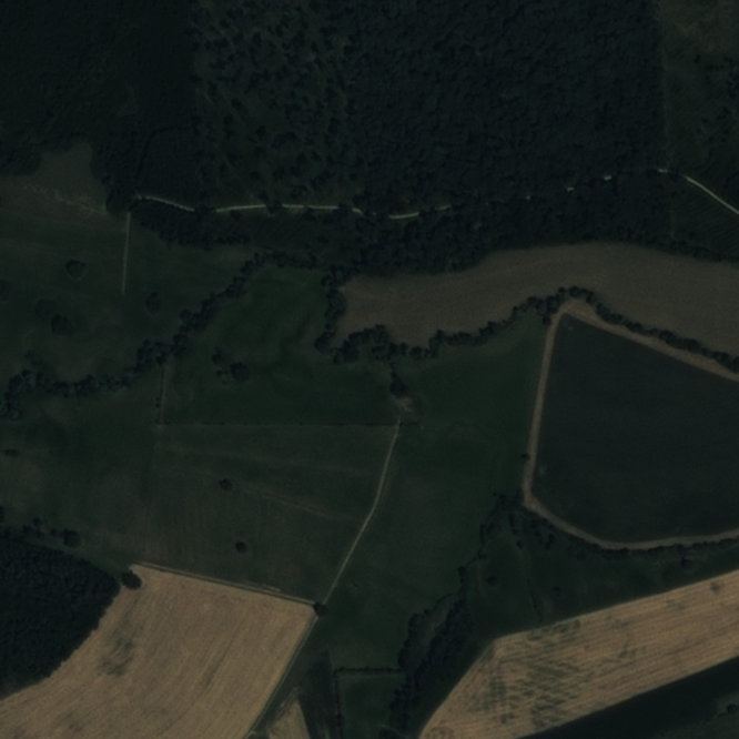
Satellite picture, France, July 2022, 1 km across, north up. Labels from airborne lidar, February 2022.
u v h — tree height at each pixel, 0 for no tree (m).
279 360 0
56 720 0
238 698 0
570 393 0
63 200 0
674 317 0
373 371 0
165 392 0
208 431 0
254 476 0
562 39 27
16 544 18
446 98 29
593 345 0
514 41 28
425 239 26
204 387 0
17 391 21
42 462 0
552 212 29
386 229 27
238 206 0
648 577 0
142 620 0
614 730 0
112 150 10
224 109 0
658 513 0
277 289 0
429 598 0
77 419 0
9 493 0
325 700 0
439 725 0
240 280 11
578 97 30
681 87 0
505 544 0
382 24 25
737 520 0
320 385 0
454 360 0
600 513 0
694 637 0
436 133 31
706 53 0
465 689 0
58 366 0
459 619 18
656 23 26
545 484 0
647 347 0
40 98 5
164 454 0
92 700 0
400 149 26
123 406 0
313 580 0
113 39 9
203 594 0
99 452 0
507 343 0
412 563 0
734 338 0
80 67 8
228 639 0
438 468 0
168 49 6
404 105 27
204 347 0
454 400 0
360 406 0
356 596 0
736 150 0
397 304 0
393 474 0
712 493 0
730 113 22
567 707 0
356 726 0
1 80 7
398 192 26
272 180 0
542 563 0
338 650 0
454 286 0
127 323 0
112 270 0
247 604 0
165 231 17
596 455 0
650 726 0
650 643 0
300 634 0
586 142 28
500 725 0
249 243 27
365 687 0
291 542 0
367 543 0
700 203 0
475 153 28
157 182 13
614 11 27
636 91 24
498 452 0
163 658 0
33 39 7
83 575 24
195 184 13
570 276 0
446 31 23
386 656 0
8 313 0
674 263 0
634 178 27
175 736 0
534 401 0
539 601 0
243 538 0
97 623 18
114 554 0
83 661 0
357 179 26
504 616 0
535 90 22
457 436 0
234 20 27
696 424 0
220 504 0
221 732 0
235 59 24
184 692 0
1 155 17
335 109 28
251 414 0
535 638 0
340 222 27
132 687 0
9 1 12
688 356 0
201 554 0
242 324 0
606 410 0
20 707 0
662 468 0
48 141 6
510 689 0
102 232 0
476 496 0
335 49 30
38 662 21
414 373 0
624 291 0
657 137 27
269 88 26
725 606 0
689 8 0
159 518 0
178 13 6
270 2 23
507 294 0
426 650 0
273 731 0
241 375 19
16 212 0
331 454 0
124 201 14
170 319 0
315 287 0
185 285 0
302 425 0
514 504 11
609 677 0
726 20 0
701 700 0
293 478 0
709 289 0
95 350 0
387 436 0
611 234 12
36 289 0
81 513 0
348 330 0
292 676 0
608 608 0
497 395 0
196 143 13
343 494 0
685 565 14
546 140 25
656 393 0
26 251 0
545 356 0
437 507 0
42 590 28
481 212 26
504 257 0
